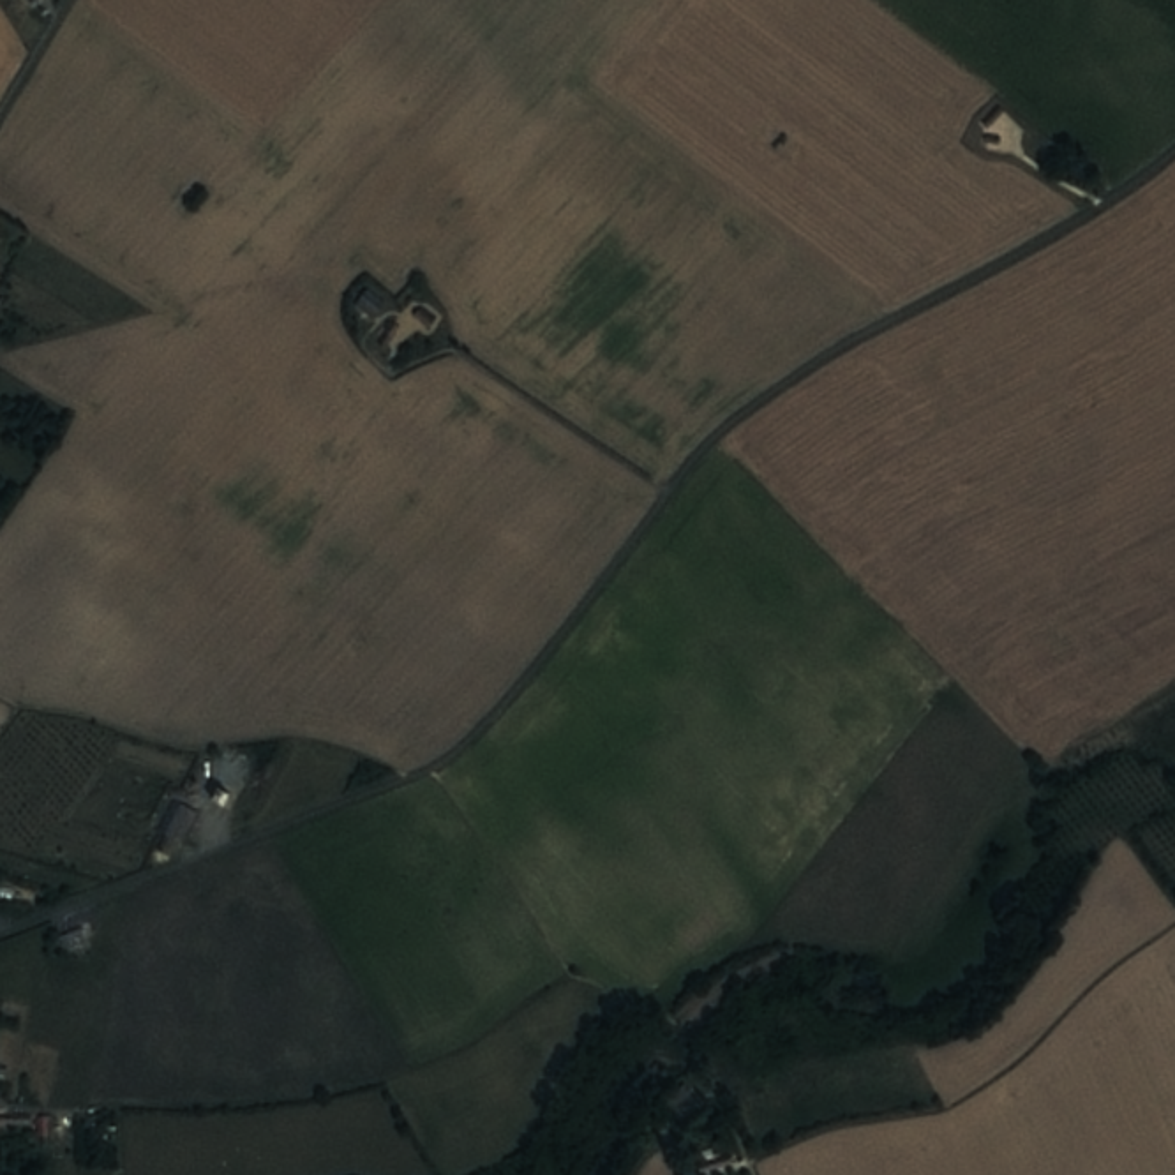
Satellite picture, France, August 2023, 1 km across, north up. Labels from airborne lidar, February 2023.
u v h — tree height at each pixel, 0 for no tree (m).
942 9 0
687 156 0
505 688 0
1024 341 0
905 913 0
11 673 0
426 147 0
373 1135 0
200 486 0
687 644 0
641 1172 0
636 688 0
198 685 0
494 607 0
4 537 0
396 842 0
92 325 0
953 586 0
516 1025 0
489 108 0
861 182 0
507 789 0
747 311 0
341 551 0
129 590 0
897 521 0
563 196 0
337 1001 0
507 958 0
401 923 0
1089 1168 0
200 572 0
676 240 0
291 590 0
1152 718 0
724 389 0
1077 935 0
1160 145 0
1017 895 20
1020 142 0
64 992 0
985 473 0
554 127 0
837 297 0
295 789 0
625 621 0
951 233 0
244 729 0
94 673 0
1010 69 0
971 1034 17
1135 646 0
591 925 0
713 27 0
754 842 0
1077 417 0
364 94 0
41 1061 0
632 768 0
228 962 0
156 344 0
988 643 0
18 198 0
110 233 0
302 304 0
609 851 0
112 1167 9
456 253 0
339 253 0
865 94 0
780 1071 0
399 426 0
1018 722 0
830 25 0
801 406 0
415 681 0
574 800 0
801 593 0
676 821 0
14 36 0
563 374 0
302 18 0
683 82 0
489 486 0
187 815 0
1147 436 0
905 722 0
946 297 0
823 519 0
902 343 0
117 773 0
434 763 0
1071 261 0
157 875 0
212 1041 0
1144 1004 0
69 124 0
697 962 0
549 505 0
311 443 0
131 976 0
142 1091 0
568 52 0
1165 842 0
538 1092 0
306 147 0
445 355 0
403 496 0
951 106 0
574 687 0
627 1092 17
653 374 0
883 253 0
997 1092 0
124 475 0
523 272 0
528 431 0
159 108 0
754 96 0
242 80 0
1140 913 0
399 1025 0
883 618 0
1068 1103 0
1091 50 0
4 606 0
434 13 0
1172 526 0
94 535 0
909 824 0
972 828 0
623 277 0
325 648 0
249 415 0
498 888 0
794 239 0
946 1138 0
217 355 0
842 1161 0
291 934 0
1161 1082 0
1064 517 0
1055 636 0
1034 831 10
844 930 0
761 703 0
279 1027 0
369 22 0
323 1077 0
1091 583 0
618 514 0
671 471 0
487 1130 0
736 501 0
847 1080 0
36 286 0
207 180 0
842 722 0
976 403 0
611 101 0
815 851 0
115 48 0
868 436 0
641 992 0
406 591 0
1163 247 0
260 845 0
